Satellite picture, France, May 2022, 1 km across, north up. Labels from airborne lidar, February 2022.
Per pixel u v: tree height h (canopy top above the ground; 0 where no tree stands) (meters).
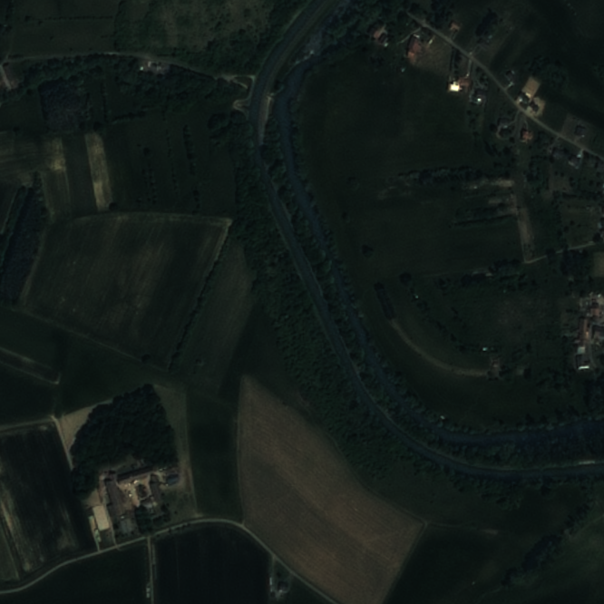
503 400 0
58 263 0
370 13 22
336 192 0
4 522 0
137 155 0
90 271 0
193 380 0
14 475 0
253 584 0
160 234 0
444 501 0
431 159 0
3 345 0
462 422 0
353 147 0
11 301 13
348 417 6
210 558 0
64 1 0
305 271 0
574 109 0
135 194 0
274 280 8
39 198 8
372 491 0
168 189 0
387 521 0
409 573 0
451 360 0
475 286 19
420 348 0
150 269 0
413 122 0
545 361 0
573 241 0
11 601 0
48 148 0
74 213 0
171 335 0
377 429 19
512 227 0
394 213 0
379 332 0
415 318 0
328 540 0
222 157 0
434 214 0
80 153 0
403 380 15
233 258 0
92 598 0
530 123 0
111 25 0
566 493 0
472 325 0
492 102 0
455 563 0
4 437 0
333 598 0
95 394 0
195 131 0
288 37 0
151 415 23
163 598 0
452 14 8
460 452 17
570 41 0
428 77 0
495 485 21
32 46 0
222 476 0
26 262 18
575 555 0
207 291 6
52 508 0
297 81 0
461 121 0
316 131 0
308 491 0
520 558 0
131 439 24
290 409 0
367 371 17
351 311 0
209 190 0
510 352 0
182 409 0
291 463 0
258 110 0
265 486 0
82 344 0
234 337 0
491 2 0
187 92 24
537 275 0
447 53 0
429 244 0
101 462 18
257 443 0
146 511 14
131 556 0
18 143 0
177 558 0
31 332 0
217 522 0
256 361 0
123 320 0
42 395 0
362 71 0
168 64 0
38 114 0
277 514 0
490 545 0
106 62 21
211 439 0
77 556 0
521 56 0
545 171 0
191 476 0
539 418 0
